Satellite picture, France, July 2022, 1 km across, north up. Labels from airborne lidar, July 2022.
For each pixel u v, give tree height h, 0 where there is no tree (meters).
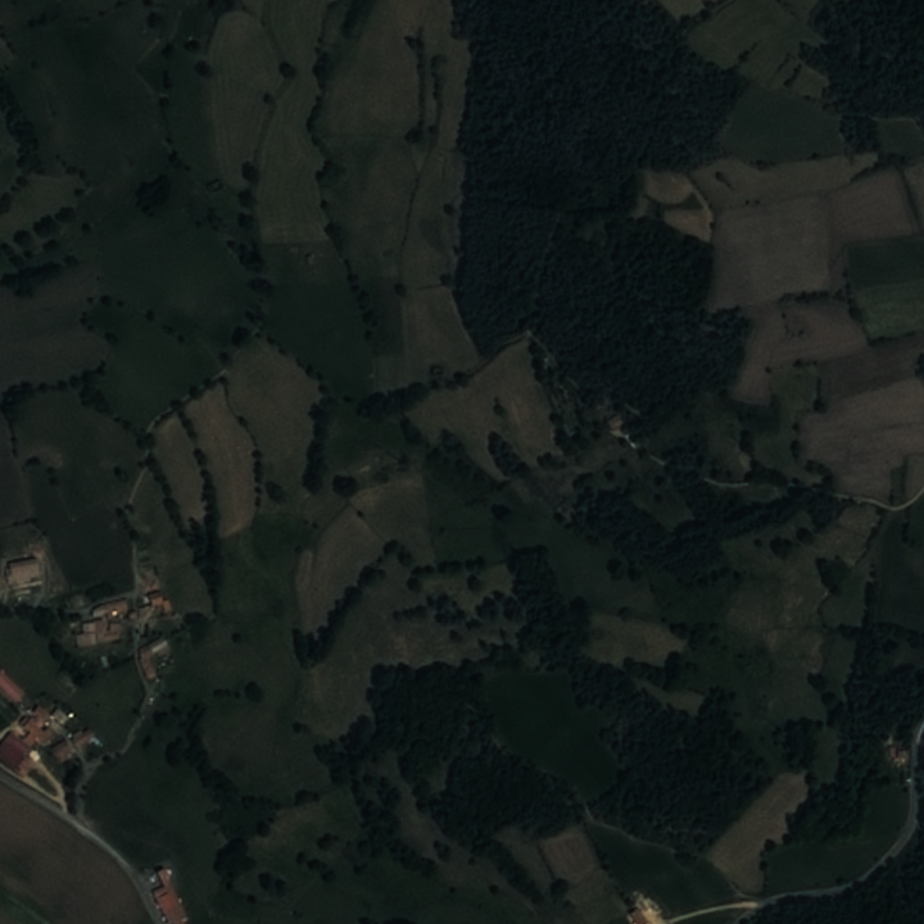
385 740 15
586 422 13
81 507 0
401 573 0
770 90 0
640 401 17
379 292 0
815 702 0
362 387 0
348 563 0
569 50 19
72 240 0
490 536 0
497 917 0
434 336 0
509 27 29
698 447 14
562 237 12
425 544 0
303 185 0
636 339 15
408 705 20
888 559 0
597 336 14
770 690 0
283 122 0
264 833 12
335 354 0
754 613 0
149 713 0
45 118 0
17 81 0
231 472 0
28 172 9
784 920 15
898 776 0
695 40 0
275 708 0
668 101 13
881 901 12
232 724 0
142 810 0
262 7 0
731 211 0
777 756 0
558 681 0
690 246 14
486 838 15
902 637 13
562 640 18
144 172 0
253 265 24
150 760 0
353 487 14
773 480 17
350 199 0
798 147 0
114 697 0
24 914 0
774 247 0
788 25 0
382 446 0
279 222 0
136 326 0
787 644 0
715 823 16
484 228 19
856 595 0
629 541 30
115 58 0
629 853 0
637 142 14
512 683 0
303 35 0
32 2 0
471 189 17
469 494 0
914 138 0
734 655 0
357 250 0
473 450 0
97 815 0
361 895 0
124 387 0
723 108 17
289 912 0
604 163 18
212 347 0
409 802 0
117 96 0
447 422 0
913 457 0
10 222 0
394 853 12
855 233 0
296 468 0
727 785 21
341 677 0
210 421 0
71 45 0
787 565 0
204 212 0
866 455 0
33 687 0
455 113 0
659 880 0
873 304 0
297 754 0
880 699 15
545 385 10
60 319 0
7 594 0
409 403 17
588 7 16
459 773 17
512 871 16
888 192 0
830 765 0
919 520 0
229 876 13
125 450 0
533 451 0
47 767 0
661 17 8
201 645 0
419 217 0
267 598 0
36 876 0
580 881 0
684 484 18
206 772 13
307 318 0
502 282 18
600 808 6
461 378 14
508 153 18
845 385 0
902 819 0
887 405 0
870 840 0
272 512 0
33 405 0
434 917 0
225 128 0
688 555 26
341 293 0
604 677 16
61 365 0
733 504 13
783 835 0
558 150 15
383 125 0
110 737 0
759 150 0
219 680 0
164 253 0
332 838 10
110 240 0
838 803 14
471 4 15
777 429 0
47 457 0
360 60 0
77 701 0
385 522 0
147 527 0
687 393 12
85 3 0
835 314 0
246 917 0
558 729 0
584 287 14
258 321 22
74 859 0
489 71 7
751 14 0
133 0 0
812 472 13
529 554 19
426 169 0
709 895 0
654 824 10
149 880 0
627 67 10
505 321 20
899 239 0
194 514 0
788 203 0
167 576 0
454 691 13
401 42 0
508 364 0
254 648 0
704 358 11
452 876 0
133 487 0
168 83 10
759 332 0
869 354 0
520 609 20
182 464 0
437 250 0
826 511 18
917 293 0
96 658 0
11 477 0
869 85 13
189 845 0
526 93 13
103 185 0
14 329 0
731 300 0
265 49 0
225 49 0
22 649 0
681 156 10
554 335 16
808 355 0
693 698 0
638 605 0
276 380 0
